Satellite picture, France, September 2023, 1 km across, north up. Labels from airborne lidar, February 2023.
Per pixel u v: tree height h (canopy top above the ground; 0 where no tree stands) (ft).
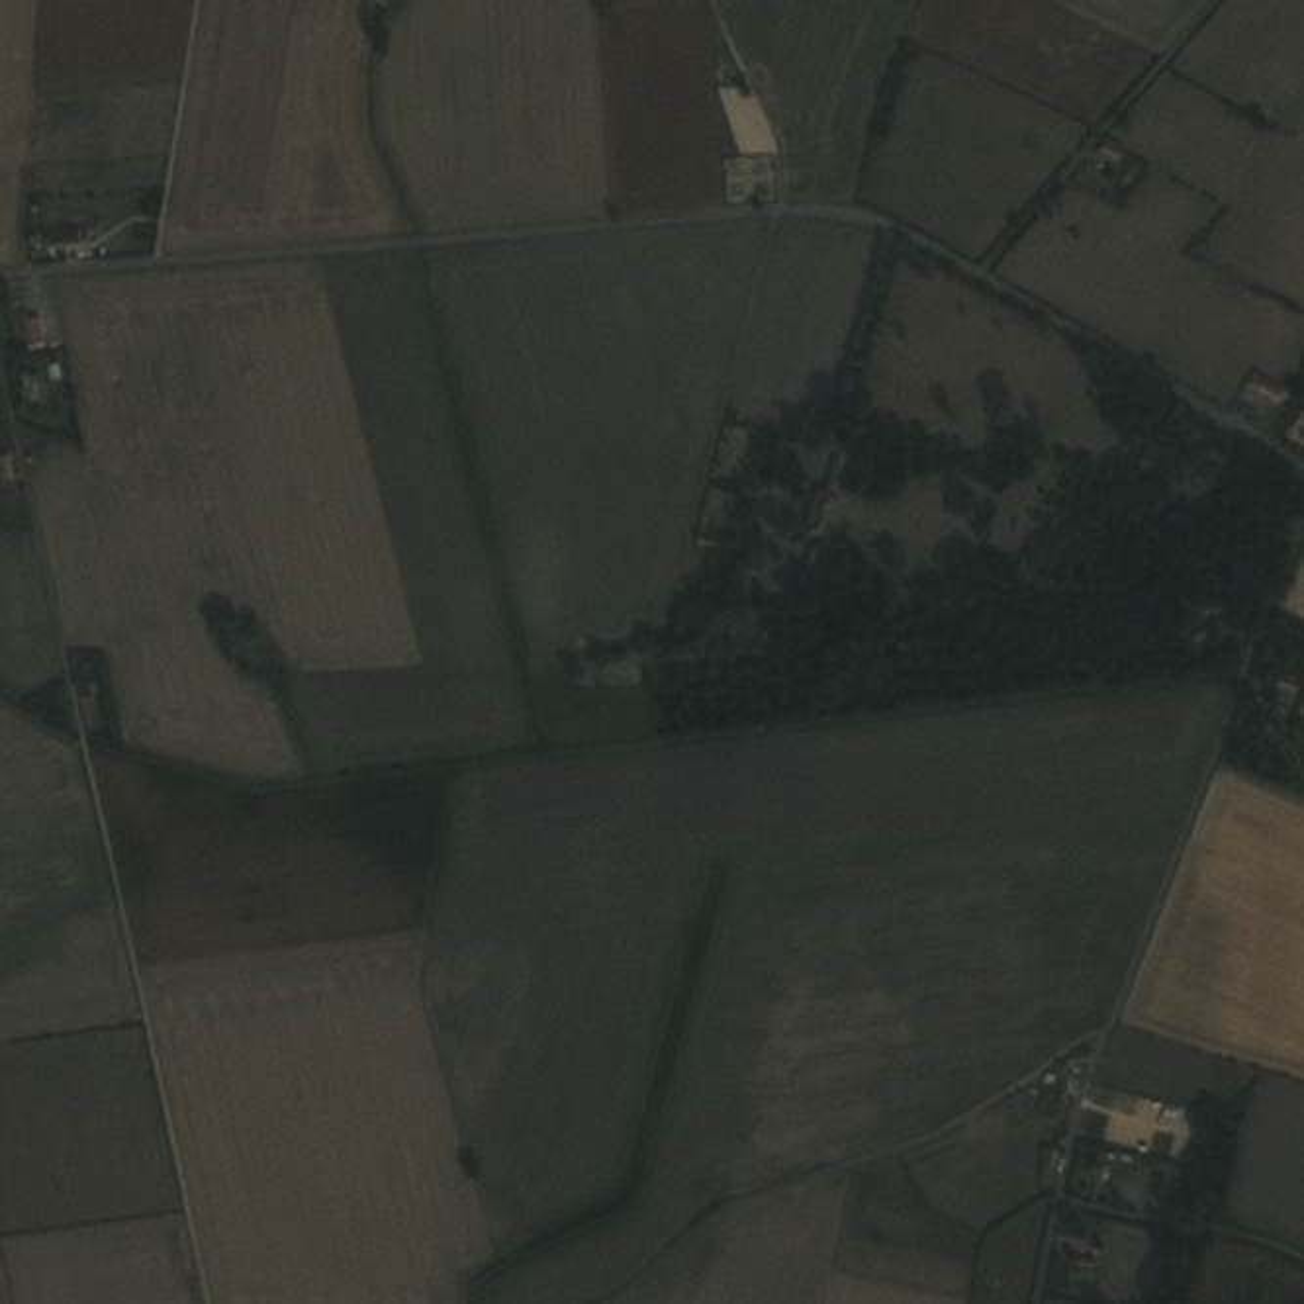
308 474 0
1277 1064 0
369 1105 0
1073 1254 27
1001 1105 0
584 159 0
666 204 0
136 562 0
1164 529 66
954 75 0
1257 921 0
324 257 0
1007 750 0
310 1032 0
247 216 0
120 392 0
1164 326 0
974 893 0
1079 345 48
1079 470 43
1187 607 78
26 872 0
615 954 0
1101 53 0
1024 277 0
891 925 0
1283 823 0
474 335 0
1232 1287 0
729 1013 0
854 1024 0
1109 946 0
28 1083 0
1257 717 22
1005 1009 0
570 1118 0
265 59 0
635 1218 0
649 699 0
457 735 0
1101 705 0
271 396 0
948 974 0
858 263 0
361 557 0
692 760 0
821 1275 0
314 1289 0
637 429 0
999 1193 0
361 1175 0
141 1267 0
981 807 0
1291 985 0
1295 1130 0
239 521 0
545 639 0
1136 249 0
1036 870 0
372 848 0
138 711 0
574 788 0
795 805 0
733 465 0
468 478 0
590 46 0
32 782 0
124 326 0
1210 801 0
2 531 0
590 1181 0
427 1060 0
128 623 0
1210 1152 64
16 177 0
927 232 0
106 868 0
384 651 0
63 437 22
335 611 0
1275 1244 0
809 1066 0
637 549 0
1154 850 0
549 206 0
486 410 0
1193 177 0
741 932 0
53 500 0
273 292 0
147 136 0
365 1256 0
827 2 0
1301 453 0
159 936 0
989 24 0
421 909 0
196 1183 0
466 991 0
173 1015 0
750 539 74
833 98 0
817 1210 0
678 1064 0
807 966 0
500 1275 0
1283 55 0
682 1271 0
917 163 0
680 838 0
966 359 0
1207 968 0
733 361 0
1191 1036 0
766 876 0
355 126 0
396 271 0
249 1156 0
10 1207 0
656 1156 0
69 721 0
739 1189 0
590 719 0
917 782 0
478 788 0
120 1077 0
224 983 0
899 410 0
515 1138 0
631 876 0
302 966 0
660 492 0
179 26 0
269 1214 0
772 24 0
